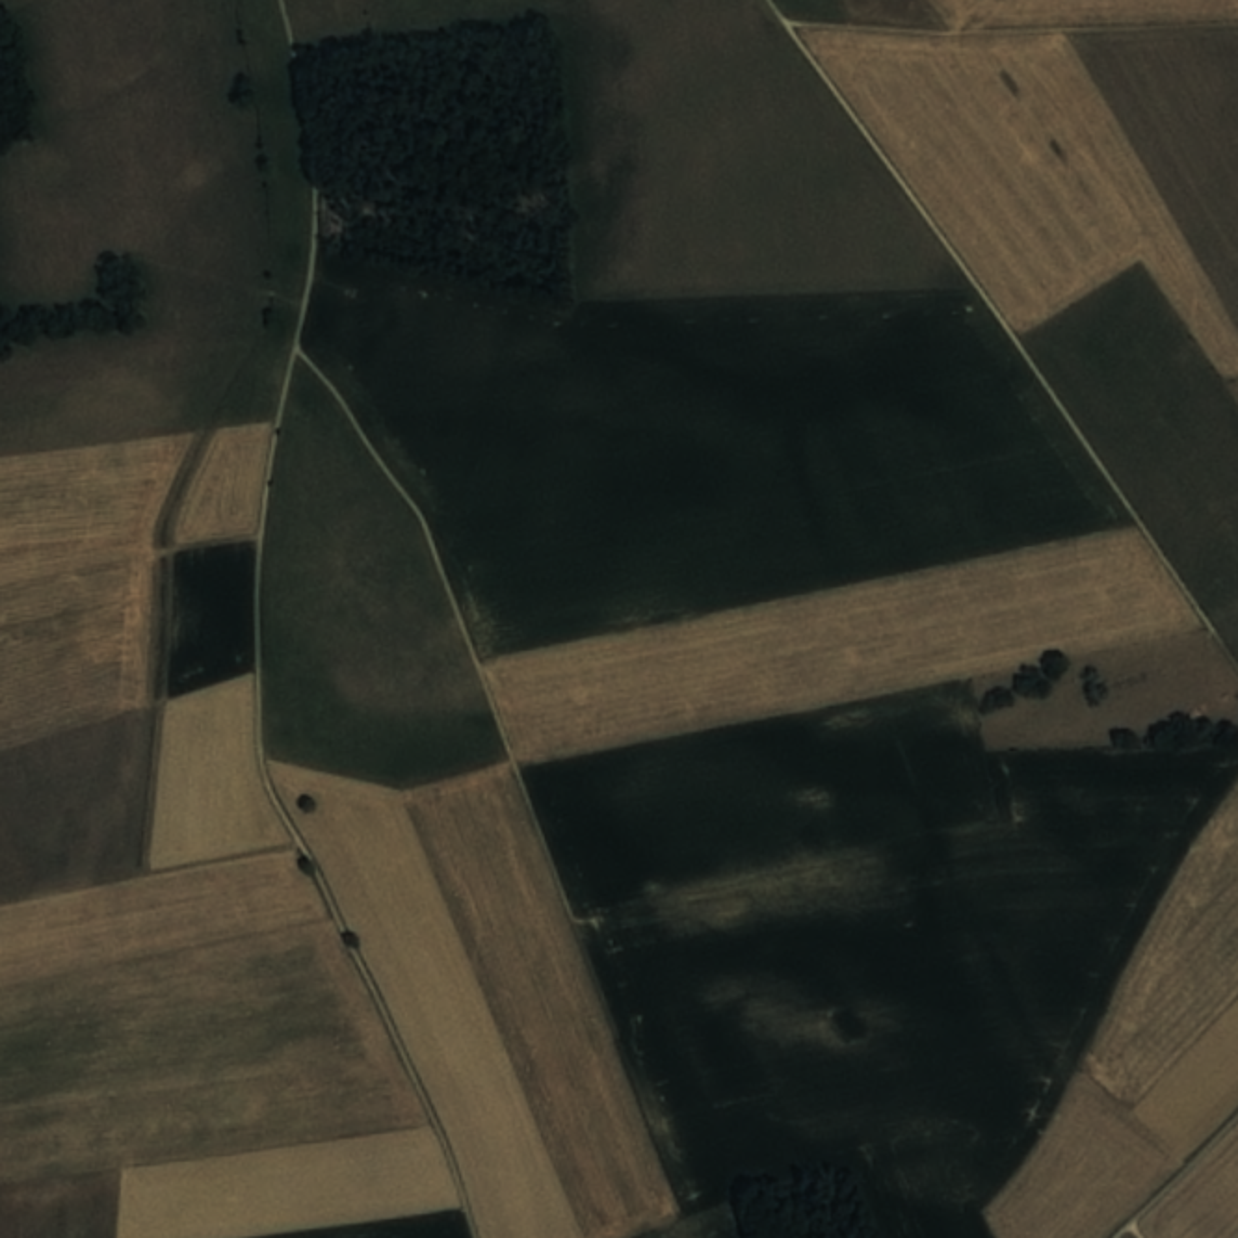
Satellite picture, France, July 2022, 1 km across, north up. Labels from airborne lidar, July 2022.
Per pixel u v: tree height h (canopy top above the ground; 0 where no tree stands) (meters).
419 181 23
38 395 0
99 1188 0
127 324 22
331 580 0
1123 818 0
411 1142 0
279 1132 0
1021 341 0
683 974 0
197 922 0
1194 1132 0
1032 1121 0
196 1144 0
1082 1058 0
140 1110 0
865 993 0
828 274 0
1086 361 0
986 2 0
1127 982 0
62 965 0
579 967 0
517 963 0
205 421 0
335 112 24
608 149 0
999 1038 0
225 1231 0
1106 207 0
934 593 0
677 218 0
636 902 0
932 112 0
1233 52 0
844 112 0
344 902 0
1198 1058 0
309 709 0
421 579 0
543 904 0
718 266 0
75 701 0
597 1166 0
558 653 0
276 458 0
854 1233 36
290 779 0
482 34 27
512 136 30
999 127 0
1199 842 0
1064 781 0
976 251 0
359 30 0
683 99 0
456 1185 0
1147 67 0
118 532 0
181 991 0
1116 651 0
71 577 0
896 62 0
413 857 0
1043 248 0
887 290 0
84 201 0
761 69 0
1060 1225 0
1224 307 0
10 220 0
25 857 0
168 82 0
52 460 0
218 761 0
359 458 0
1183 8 0
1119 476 0
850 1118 0
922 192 0
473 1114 0
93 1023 0
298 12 0
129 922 0
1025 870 0
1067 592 0
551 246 7
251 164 0
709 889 0
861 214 0
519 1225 0
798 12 0
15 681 0
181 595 0
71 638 0
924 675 0
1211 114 0
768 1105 0
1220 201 0
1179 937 0
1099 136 0
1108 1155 0
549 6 0
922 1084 0
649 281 0
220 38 0
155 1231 0
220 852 0
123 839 0
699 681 0
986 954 0
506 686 0
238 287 0
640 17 0
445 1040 0
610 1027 0
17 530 0
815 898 0
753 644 0
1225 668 0
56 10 0
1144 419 0
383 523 0
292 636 0
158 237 0
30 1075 0
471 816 0
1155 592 0
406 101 8
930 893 0
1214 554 0
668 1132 0
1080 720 0
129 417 0
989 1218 0
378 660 0
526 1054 0
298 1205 0
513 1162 0
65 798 0
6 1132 0
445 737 0
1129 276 0
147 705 0
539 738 0
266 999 0
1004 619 0
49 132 0
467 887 0
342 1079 0
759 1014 0
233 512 0
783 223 0
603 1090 0
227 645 0
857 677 0
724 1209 0
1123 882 0
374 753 0
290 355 0
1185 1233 0
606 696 0
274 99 0
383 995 0
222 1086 0
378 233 10
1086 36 0
